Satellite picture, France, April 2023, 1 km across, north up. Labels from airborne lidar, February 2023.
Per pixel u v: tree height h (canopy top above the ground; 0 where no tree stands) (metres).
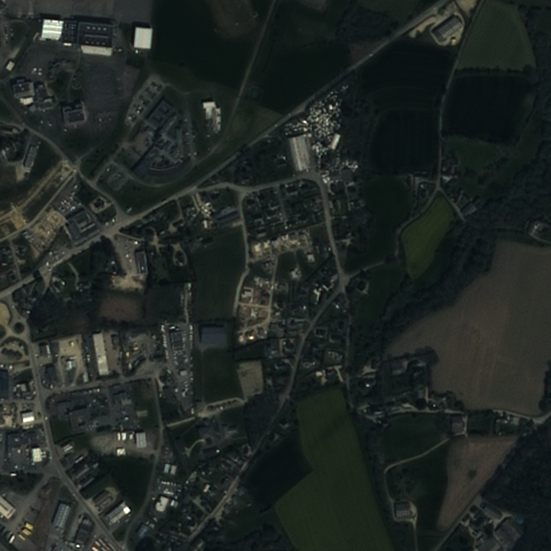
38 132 0
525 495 21
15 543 0
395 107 0
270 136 0
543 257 0
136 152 0
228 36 0
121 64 0
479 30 0
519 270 0
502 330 0
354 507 0
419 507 0
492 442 0
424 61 0
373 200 0
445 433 0
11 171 0
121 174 0
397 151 0
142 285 0
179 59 0
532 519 17
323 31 0
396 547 0
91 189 12
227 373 0
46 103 0
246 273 0
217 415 0
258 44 0
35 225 0
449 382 0
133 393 0
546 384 13
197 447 0
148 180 0
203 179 0
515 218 10
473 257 13
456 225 13
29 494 0
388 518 11
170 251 10
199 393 0
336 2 0
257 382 0
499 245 0
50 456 0
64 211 0
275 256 0
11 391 0
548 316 0
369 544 0
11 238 0
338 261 0
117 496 0
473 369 0
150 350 0
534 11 8
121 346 6
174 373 0
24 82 0
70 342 0
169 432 10
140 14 0
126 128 0
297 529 0
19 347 0
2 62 0
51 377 0
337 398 0
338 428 0
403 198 0
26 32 0
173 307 0
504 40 0
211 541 7
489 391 0
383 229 0
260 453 8
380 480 12
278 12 0
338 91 7
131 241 0
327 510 0
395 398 0
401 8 0
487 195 0
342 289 0
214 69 0
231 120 0
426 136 0
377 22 7
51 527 0
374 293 0
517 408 0
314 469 0
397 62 0
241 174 8
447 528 0
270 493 0
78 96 0
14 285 0
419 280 0
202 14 0
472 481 0
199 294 0
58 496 0
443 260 0
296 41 0
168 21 0
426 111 0
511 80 0
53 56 0
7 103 0
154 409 0
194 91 0
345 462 0
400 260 13
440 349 0
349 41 10
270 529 12
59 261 0
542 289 0
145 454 0
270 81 0
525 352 0
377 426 7
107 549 0
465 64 0
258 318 0
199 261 0
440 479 0
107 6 0
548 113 11
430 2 0
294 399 14
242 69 0
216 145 0
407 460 0
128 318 0
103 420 0
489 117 0
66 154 0
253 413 18
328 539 0
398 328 16
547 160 14
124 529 0
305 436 0
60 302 12
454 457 0
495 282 0
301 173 0
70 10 0
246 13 0
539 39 12
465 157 0
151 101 0
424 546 0
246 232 0
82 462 9
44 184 0
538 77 14
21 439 0
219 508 0
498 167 10
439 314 0
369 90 0
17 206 0
